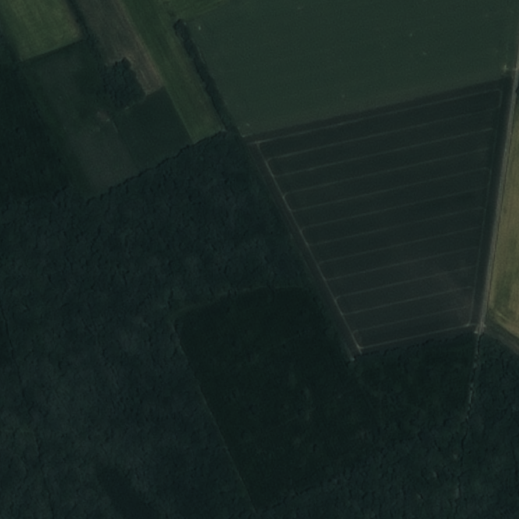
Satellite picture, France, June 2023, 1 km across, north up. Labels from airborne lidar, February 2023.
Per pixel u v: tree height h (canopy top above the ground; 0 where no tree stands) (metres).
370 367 11
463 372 9
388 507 26
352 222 0
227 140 24
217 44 0
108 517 25
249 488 7
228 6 0
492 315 0
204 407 25
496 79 0
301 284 15
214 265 25
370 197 0
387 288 0
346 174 0
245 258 25
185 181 27
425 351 13
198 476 22
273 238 20
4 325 8
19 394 21
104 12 0
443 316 0
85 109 0
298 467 6
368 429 7
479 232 0
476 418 23
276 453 6
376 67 0
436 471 22
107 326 21
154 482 26
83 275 27
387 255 0
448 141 0
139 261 23
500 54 0
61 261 27
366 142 0
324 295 0
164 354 28
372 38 0
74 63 0
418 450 27
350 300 0
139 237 25
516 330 0
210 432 24
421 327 0
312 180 0
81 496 29
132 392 24
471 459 21
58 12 0
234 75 0
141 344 23
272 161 0
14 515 25
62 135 0
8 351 17
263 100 0
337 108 0
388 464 20
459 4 0
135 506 13
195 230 25
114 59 0
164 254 21
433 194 0
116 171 0
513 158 0
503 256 0
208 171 29
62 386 24
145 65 0
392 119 0
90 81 0
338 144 0
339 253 0
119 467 25
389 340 0
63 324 21
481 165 0
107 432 25
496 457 20
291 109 0
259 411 26
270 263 28
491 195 0
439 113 0
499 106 0
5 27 0
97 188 0
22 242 26
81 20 10
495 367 19
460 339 13
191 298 22
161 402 24
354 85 0
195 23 0
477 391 13
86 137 0
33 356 17
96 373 22
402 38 0
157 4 0
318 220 0
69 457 27
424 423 20
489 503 19
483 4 0
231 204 29
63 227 27
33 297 24
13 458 24
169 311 16
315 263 0
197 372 6
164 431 21
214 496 25
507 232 0
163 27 0
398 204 0
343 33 0
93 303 28
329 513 25
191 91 0
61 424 25
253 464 6
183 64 0
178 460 24
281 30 0
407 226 0
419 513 20
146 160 0
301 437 8
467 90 0
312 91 0
